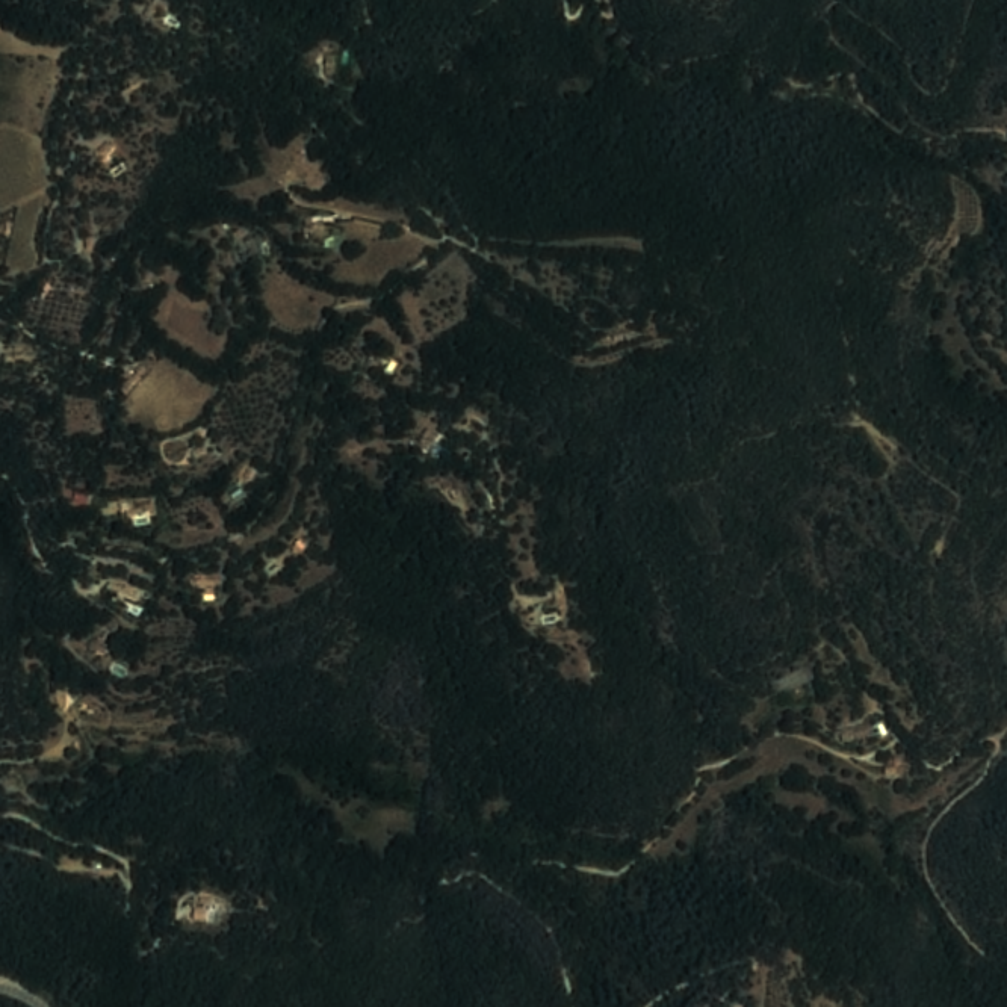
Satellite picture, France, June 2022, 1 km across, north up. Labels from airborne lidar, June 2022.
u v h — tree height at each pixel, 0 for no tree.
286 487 13
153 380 0
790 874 7
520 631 11
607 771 6
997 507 11
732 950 12
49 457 8
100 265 7
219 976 9
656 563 6
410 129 17
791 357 7
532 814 11
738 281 7
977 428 6
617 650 10
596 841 7
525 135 17
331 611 8
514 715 12
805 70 6
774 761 0
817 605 7
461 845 14
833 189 8
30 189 0
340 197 10
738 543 10
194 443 10
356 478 13
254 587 9
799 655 10
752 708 9
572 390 7
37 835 10
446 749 8
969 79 8
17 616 8
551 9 7
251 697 13
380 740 9
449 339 12
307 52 14
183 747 10
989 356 10
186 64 11
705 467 6
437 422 8
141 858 7
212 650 9
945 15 6
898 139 13
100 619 13
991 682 8
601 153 13
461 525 5
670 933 20
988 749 12
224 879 12
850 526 6
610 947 7
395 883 10
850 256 11
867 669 12
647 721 7
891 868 11
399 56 12
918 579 7
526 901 15
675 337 13
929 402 9
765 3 6
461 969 7
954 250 8
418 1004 7
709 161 10
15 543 9
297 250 11
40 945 12
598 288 8
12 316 13
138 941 15
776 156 11
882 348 9
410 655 14
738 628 6
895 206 6
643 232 12
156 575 8
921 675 8
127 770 13
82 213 11
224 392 7
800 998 9
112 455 12
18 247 0
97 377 10
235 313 12
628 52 9
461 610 10
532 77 10
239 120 15
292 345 12
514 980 8
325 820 19
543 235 13
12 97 0
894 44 7
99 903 13
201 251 11
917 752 6
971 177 9
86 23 6
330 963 9
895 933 7
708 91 9
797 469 8
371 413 11
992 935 8
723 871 6
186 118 7
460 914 9
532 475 8
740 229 7
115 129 6
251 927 8
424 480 10
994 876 9
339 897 12
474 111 13
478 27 9
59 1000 10
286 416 7
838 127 7
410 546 22
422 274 11
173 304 0
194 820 9
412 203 10
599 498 12
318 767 10
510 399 16
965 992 10
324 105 13
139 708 10
